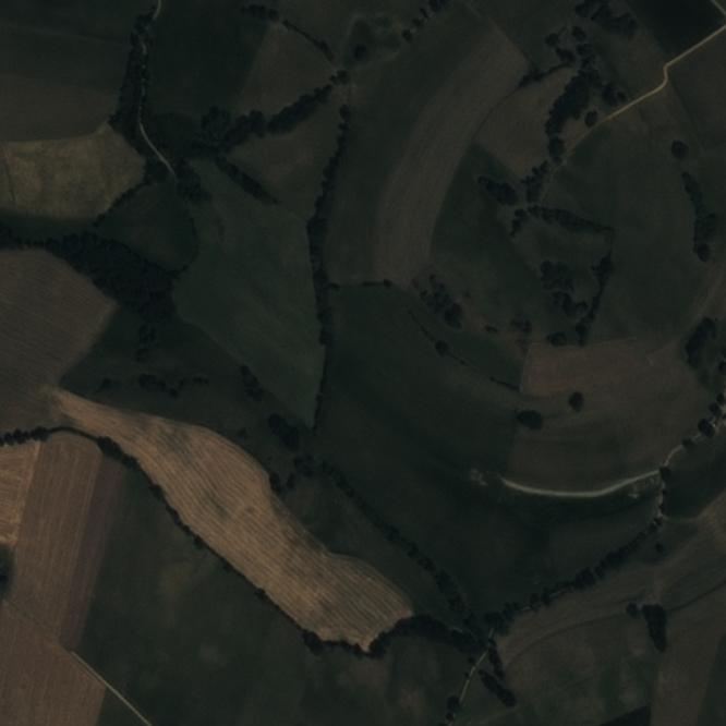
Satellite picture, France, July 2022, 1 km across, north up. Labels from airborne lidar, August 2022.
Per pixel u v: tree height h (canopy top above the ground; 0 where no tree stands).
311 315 0
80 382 0
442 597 0
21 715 0
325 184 12
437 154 0
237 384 0
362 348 0
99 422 0
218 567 0
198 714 0
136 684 0
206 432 0
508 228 0
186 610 0
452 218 0
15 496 0
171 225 0
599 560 0
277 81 0
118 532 0
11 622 0
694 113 0
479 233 0
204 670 0
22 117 0
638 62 0
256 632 0
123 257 20
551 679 0
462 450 0
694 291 0
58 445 0
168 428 0
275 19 10
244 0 0
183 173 24
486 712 0
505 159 0
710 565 0
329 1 0
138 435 0
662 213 0
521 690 0
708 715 0
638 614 15
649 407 0
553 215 8
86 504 0
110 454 14
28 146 0
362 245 0
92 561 0
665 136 0
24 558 0
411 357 0
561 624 0
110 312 0
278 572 0
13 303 0
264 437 0
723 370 15
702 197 9
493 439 0
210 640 0
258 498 0
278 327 0
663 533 0
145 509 0
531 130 0
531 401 0
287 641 0
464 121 0
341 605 0
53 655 0
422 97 0
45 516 0
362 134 0
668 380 0
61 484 0
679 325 0
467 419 0
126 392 0
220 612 0
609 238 0
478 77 0
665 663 0
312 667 0
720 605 0
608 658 0
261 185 13
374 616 0
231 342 0
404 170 0
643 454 0
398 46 0
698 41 0
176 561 0
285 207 0
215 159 17
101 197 0
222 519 0
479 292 0
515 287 0
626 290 0
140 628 0
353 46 0
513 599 0
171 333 0
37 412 0
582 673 0
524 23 0
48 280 0
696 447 9
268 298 0
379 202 0
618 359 0
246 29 0
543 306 0
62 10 0
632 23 13
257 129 15
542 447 0
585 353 0
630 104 0
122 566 0
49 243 10
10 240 18
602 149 0
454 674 0
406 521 0
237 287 0
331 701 0
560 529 0
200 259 0
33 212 0
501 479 0
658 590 0
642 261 0
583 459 0
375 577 0
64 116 0
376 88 0
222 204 0
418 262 0
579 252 0
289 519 0
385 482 0
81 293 0
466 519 0
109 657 0
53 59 0
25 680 0
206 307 0
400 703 0
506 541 0
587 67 11
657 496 0
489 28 0
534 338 0
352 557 0
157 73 0
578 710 0
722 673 0
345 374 0
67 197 0
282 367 0
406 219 0
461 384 0
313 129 0
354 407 0
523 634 0
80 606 0
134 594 0
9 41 0
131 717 0
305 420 0
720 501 0
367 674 0
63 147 0
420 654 0
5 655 0
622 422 0
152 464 0
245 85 0
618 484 0
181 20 0
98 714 0
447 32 0
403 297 0
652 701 0
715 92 0
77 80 0
